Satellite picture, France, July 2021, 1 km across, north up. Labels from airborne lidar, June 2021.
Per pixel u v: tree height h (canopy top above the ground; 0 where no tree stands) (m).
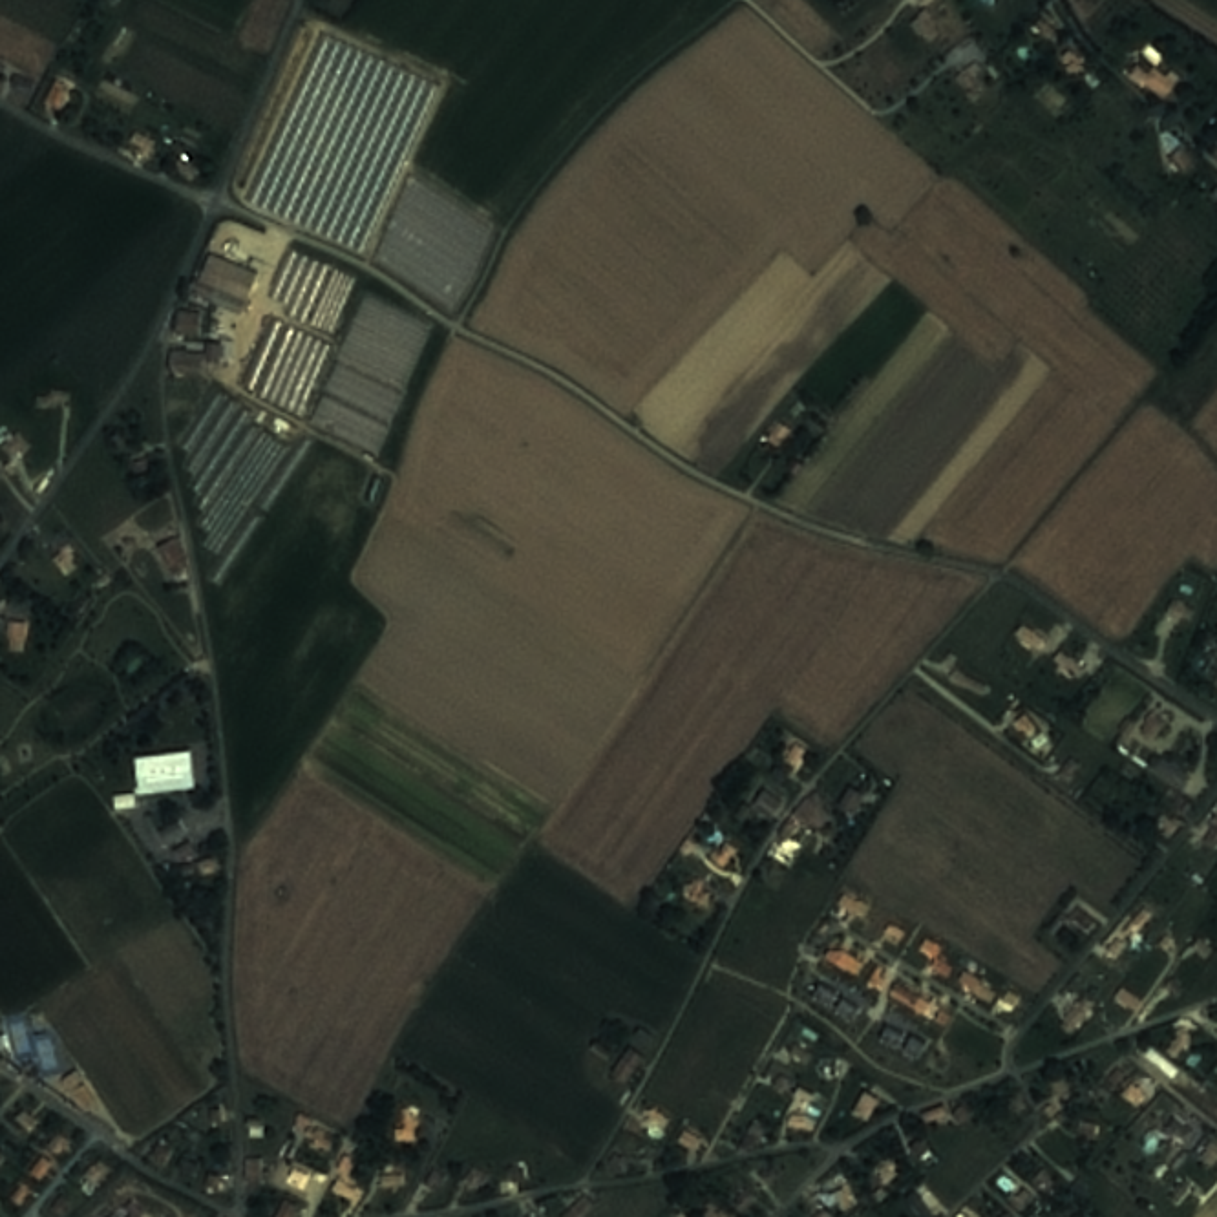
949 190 0
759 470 0
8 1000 0
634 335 0
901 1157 6
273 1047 0
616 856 0
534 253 0
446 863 0
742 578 0
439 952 0
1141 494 0
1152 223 23
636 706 0
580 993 0
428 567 0
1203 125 0
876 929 0
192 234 0
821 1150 0
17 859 0
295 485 0
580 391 0
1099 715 0
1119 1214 0
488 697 0
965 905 0
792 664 0
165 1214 0
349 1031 0
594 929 0
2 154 0
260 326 0
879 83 0
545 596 0
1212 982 0
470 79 0
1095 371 0
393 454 0
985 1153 0
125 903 0
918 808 0
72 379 0
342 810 0
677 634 0
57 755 0
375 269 0
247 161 0
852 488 0
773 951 0
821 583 0
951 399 0
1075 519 0
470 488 0
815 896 0
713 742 0
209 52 0
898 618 0
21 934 0
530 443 0
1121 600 0
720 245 0
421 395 0
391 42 0
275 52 0
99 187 0
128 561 0
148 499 8
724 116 0
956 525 0
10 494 0
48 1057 0
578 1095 0
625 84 0
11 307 0
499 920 0
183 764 0
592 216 0
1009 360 0
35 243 0
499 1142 0
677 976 0
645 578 0
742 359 0
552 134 0
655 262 0
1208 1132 8
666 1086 0
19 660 0
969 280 0
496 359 0
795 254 0
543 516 0
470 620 0
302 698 0
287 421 0
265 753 0
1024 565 0
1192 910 0
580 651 0
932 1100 0
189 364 0
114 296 0
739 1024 0
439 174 0
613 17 0
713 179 0
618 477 0
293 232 0
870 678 0
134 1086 0
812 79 0
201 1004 0
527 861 0
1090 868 0
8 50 0
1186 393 0
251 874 0
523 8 0
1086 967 0
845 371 0
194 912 8
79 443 0
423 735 0
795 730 0
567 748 0
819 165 0
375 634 0
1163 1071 0
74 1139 7
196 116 0
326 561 0
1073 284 0
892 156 0
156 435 0
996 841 0
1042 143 0
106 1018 0
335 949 0
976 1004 0
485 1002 0
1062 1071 11
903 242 0
